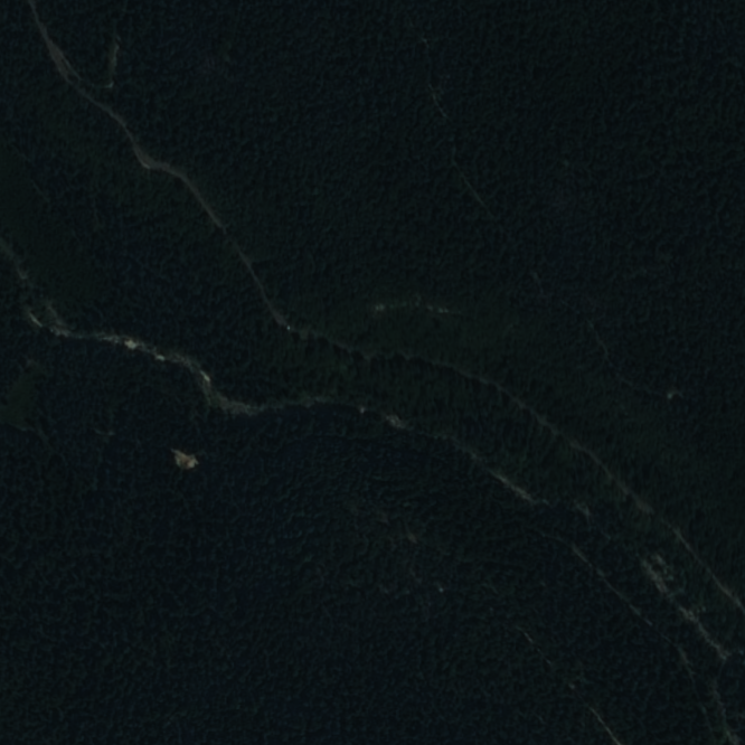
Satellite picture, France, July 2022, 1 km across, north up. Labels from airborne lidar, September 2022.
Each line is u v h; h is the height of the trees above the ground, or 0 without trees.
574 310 16
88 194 16
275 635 25
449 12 16
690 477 20
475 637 17
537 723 27
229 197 14
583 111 18
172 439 22
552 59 26
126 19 21
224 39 21
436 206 22
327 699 13
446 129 17
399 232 24
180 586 26
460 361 21
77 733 33
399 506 25
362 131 16
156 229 24
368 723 17
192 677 23
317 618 27
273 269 22
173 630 34
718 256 15
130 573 22
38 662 29
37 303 11
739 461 25
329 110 16
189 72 20
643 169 24
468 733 33
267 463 22
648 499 20
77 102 15
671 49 27
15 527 17
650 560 7
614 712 25
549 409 20
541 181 16
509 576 33
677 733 30
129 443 26
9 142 7
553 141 11
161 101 25
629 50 18
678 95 10
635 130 13
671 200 22
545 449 23
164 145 20
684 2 31
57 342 13
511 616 27
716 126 8
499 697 27
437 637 24
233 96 22
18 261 11
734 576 21
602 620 40
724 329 18
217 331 23
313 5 29
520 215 15
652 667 28
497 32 23
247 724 27
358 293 13
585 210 21
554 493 31
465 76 18
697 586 21
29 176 6
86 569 14
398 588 25
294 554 31
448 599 24
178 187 28
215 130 21
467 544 25
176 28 19
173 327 24
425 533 19
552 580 38
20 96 20
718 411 23
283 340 21
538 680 24
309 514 27
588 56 13
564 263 22
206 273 27
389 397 19
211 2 22
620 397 12
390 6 17
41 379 12
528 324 14
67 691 28
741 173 23
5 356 20
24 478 9
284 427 24
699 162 24
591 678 25
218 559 19
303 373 30
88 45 12
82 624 30
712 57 29
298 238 23
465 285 17
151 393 17
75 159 27
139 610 23
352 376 24
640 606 33
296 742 29
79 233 18
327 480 26
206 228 24
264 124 21
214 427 21
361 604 25
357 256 13
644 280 19
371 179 19
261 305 25
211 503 17
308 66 14
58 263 6
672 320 11
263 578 9
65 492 11
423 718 35
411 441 20
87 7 15
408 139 23
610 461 24
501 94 19
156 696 22
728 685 22
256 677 24
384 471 27
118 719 32
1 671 25
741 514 31
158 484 27
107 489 12
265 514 17
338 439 29
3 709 19
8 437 26
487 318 17
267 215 19
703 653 21
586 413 20
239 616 32
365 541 16
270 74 20
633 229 10
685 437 20
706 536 24
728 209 30
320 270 15
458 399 25
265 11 20
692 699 9
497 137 19
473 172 21
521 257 19
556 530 18
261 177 14
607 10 18
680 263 22
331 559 24
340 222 13
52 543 18
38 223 8
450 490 26
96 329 18
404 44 23
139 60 24
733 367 19
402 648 33
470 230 28
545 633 30
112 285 7
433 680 28
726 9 27
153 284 32
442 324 18
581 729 19
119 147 20
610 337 18
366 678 8
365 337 15
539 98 19
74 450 30
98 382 20
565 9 15
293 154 17
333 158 16
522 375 25
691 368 26
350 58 24
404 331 20
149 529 15
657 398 19
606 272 19
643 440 14
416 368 22
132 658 27
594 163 18
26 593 30
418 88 20
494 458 21
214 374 25
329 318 14
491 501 13
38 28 13
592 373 11
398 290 11
